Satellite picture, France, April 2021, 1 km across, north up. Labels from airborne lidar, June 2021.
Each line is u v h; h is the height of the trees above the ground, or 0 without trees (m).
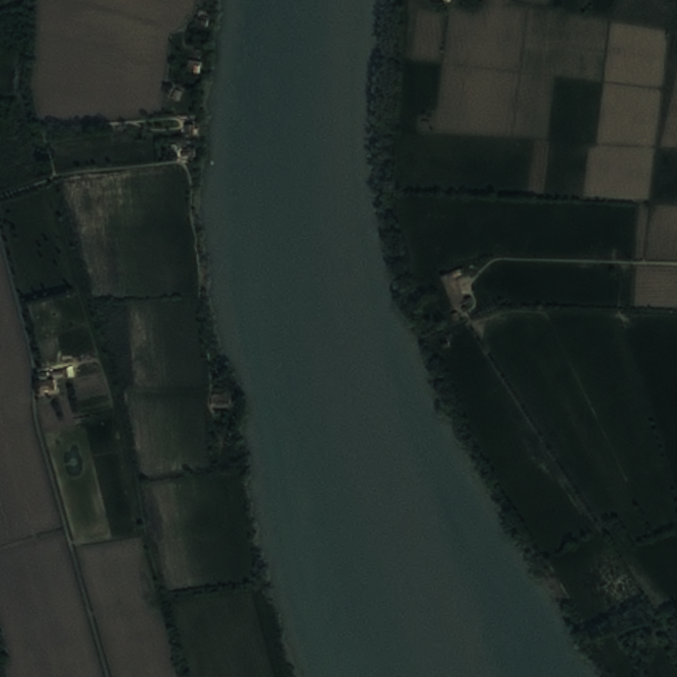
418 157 0
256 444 0
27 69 8
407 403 0
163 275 0
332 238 0
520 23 0
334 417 0
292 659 0
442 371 17
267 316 0
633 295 0
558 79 0
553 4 0
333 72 0
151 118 7
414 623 0
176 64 12
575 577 0
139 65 0
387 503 0
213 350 9
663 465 0
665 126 0
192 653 0
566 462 0
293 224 0
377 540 0
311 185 0
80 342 0
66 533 0
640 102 0
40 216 0
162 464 0
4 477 0
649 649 12
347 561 0
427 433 0
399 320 0
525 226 0
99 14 0
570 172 0
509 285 0
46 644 0
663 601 0
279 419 0
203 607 0
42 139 15
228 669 0
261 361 0
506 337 0
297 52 0
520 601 0
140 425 0
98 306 6
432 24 0
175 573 0
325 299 0
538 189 0
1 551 0
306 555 0
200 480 0
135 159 0
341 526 0
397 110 31
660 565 0
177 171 0
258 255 0
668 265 0
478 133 0
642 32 0
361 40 0
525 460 0
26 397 0
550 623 0
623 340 0
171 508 0
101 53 0
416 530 0
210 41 15
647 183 0
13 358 0
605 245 0
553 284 0
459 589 0
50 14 0
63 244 0
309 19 0
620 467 0
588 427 0
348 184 0
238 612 0
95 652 0
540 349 0
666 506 0
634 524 0
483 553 0
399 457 0
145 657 0
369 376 0
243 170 0
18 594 0
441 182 0
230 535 0
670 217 0
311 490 0
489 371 0
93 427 0
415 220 0
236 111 0
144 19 0
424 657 0
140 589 0
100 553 0
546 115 0
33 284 0
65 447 0
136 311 0
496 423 0
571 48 0
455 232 0
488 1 0
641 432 0
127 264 0
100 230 0
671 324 0
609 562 0
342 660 0
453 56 0
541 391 0
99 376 0
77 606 0
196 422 0
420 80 0
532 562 18
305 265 0
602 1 0
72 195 0
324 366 0
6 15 12
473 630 0
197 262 0
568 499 0
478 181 0
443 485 0
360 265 0
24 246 0
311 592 0
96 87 0
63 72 0
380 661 0
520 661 0
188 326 0
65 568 0
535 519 0
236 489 0
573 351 0
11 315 0
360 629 0
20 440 0
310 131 0
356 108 0
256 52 0
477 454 14
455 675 0
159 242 0
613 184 0
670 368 0
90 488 0
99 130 21
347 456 0
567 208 0
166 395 0
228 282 0
